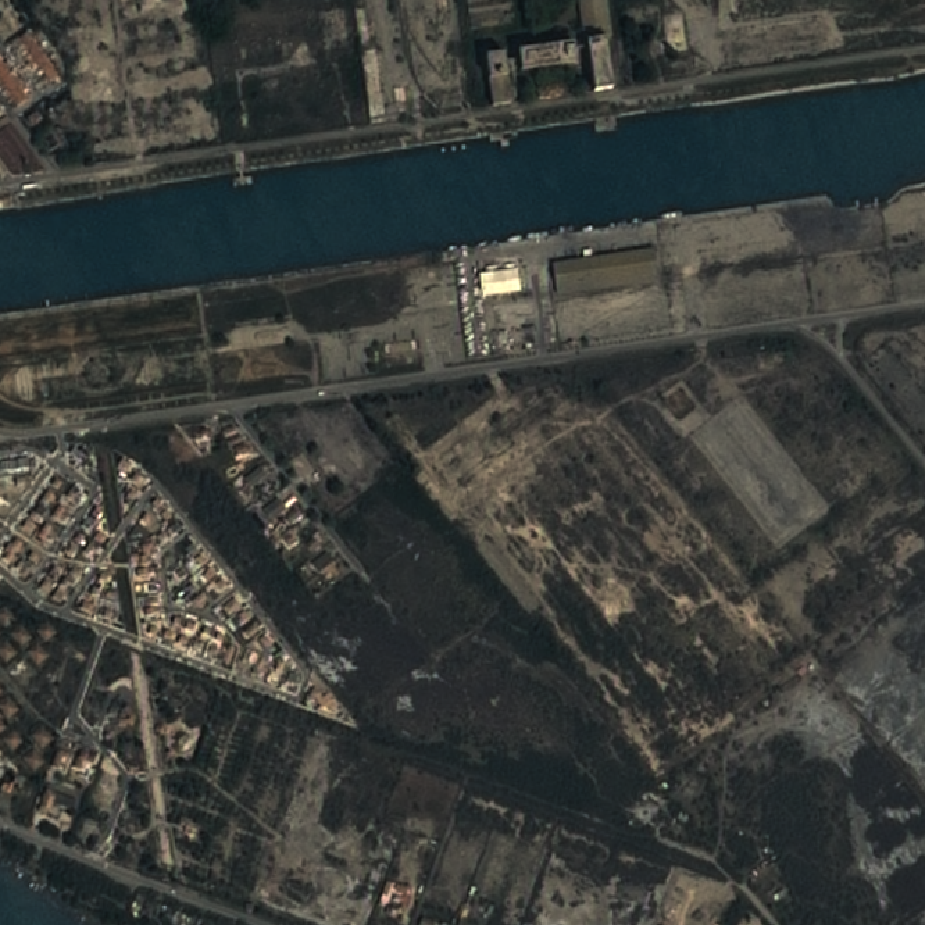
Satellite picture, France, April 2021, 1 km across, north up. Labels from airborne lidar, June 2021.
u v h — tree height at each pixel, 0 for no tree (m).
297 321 0
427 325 0
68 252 0
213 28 10
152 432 0
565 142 0
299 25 0
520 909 0
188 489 0
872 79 0
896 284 0
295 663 0
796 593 0
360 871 0
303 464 0
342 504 0
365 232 0
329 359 0
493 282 0
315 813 0
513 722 0
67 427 0
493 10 0
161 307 0
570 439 0
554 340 0
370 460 0
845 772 0
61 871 8
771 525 0
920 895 0
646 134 0
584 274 0
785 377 0
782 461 0
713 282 0
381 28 0
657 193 0
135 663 0
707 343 0
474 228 0
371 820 0
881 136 0
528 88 19
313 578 0
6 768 5
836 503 0
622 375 0
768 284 0
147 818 7
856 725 0
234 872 6
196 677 6
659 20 0
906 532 0
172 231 0
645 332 0
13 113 0
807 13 0
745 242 0
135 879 0
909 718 0
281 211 0
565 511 0
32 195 6
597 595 0
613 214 0
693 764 5
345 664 0
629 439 0
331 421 0
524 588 0
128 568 0
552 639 6
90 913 7
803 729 0
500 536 0
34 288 0
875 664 0
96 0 0
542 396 8
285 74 0
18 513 0
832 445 0
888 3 0
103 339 0
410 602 0
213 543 0
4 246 0
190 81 0
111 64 0
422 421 0
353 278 0
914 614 0
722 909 0
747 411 0
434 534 0
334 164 0
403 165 0
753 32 0
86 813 7
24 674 0
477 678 0
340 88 0
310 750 0
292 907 0
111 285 0
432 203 0
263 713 6
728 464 0
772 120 0
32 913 0
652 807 0
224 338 10
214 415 0
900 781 0
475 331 0
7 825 0
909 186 0
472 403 0
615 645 6
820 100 0
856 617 0
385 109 0
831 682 0
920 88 0
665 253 0
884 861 0
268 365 0
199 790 8
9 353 0
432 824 0
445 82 0
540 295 0
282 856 0
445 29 0
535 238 0
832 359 0
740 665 0
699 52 0
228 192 0
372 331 0
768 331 0
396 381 0
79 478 0
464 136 0
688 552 0
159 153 9
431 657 0
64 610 0
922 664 0
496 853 0
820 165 0
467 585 0
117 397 0
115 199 0
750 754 0
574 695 0
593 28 0
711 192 0
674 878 0
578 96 15
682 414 0
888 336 0
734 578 0
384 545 0
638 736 0
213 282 0
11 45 6
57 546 0
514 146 0
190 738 0
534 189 0
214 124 0
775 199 0
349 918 0
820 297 0
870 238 0
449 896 0
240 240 0
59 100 8
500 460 0
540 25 23
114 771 0
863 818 0
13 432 0
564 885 0
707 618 0
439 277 0
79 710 0
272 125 0
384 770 0
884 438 0
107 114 0
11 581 0
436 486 0
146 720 0
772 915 0
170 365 0
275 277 0
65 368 0
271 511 0
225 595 0
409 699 0
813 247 0
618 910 0
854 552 0
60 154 12
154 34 0
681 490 0
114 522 0
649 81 12
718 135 0
